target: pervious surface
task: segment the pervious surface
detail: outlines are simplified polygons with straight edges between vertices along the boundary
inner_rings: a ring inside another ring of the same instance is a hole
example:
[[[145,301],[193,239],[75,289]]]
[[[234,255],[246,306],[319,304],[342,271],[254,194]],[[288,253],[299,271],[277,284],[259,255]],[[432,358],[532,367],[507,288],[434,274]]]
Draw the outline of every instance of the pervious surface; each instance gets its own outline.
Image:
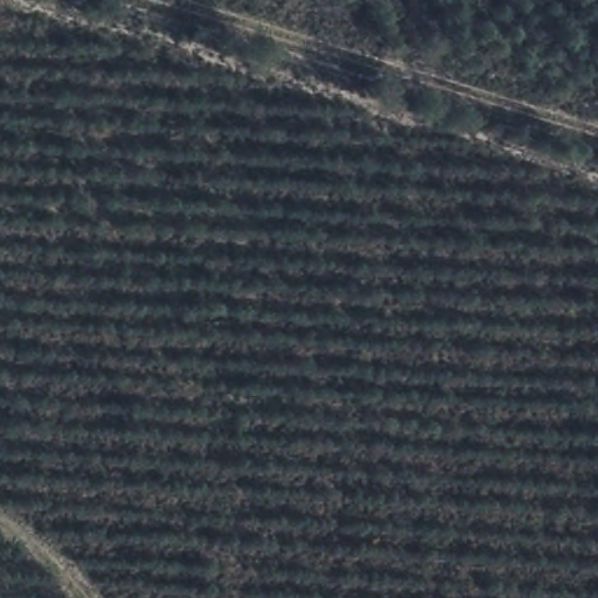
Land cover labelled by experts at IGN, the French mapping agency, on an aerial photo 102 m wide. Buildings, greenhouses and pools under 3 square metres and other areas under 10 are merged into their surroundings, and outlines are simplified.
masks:
[[[255,0],[220,0],[215,9],[220,16],[224,16],[229,30],[266,37],[287,44],[290,51],[308,47],[313,42],[311,33],[292,30],[266,19],[250,16],[250,12],[255,9]]]
[[[488,107],[502,107],[507,112],[530,110],[542,121],[561,131],[584,135],[598,133],[598,119],[577,117],[563,110],[542,105],[456,79],[451,72],[437,72],[434,65],[423,65],[423,58],[404,63],[402,58],[388,56],[383,56],[383,63],[385,65],[399,70],[404,79],[420,77],[420,84],[427,89],[444,93],[458,96],[460,100],[474,100]]]

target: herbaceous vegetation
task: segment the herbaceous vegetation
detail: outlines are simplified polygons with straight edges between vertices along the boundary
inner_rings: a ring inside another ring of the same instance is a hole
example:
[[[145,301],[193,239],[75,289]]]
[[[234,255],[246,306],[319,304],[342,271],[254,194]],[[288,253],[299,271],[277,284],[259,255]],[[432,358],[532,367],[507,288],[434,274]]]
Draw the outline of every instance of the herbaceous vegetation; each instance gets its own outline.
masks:
[[[369,96],[381,84],[385,65],[383,63],[374,63],[364,56],[346,54],[341,49],[325,44],[308,47],[290,51],[285,54],[280,65],[283,70],[311,72],[320,82],[329,82],[360,96]]]
[[[152,7],[140,7],[138,12],[131,12],[128,26],[128,37],[138,40],[138,47],[142,58],[154,58],[164,44],[142,35],[142,26],[150,26],[173,37],[185,37],[187,42],[201,42],[208,49],[215,49],[220,56],[236,56],[248,68],[250,68],[255,56],[264,58],[266,37],[229,30],[224,16],[220,16],[215,9],[220,0],[145,0],[152,2]]]
[[[463,119],[467,110],[474,110],[486,121],[484,131],[488,133],[495,128],[502,131],[502,135],[516,145],[526,145],[544,154],[561,157],[561,152],[565,152],[565,145],[561,131],[542,121],[530,110],[507,112],[502,107],[488,107],[474,100],[460,100],[458,96],[444,93],[446,112],[456,121]]]
[[[418,110],[418,100],[423,93],[427,93],[427,89],[420,84],[420,77],[404,79],[402,86],[406,89],[406,110],[411,114]]]
[[[61,0],[61,7],[79,9],[84,14],[86,9],[100,9],[105,0]]]

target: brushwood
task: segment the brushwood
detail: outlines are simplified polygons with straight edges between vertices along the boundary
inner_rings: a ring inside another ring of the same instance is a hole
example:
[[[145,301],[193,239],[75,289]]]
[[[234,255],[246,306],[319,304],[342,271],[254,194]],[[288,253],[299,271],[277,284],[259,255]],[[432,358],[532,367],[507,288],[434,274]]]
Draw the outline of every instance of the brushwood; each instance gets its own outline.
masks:
[[[505,399],[514,402],[577,399],[572,390],[509,388]]]
[[[439,500],[453,502],[463,500],[537,505],[542,509],[598,509],[598,498],[563,493],[540,495],[516,491],[465,491],[446,486],[439,491]]]
[[[51,479],[114,479],[128,484],[157,481],[157,470],[51,465]]]
[[[374,63],[383,63],[383,56],[388,56],[388,28],[381,14],[371,9],[374,0],[255,0],[255,9],[250,12],[250,16],[266,19],[292,30],[311,33],[313,42],[308,47],[325,44],[341,49],[346,54],[364,56]]]
[[[561,175],[558,171],[551,171],[547,180],[533,182],[509,178],[456,178],[451,192],[470,192],[470,199],[463,203],[444,206],[437,206],[430,199],[313,199],[283,192],[234,192],[201,187],[164,189],[159,182],[70,185],[47,180],[33,185],[26,180],[0,180],[0,194],[93,199],[93,208],[84,213],[63,206],[58,208],[54,201],[49,203],[49,208],[0,206],[0,217],[65,222],[63,234],[42,238],[28,236],[23,231],[9,231],[7,224],[0,224],[0,245],[40,245],[40,255],[35,259],[0,259],[0,269],[44,273],[42,283],[0,283],[0,294],[9,299],[42,301],[131,301],[171,306],[171,315],[119,315],[114,325],[114,336],[100,336],[100,325],[105,325],[105,318],[96,313],[56,315],[49,311],[0,308],[0,322],[68,322],[68,334],[63,334],[56,343],[44,343],[35,336],[0,334],[0,371],[42,374],[42,383],[30,385],[23,397],[58,399],[58,413],[54,425],[63,430],[114,427],[196,434],[189,420],[110,416],[107,404],[152,404],[166,409],[187,409],[189,399],[201,395],[201,388],[206,385],[278,385],[278,397],[252,397],[245,402],[229,402],[227,411],[222,413],[222,420],[217,423],[220,432],[227,437],[271,437],[287,441],[327,439],[355,444],[383,441],[397,446],[430,446],[458,451],[486,449],[528,456],[598,458],[598,446],[533,441],[516,446],[514,439],[502,439],[498,444],[488,437],[453,437],[451,425],[474,425],[470,413],[470,399],[495,399],[498,390],[491,385],[411,383],[406,381],[404,371],[598,381],[598,367],[540,364],[530,369],[502,369],[502,362],[474,362],[472,353],[477,348],[521,348],[530,350],[533,355],[540,355],[540,346],[535,343],[535,339],[500,339],[488,334],[425,334],[423,322],[479,320],[488,325],[598,327],[598,313],[505,313],[498,306],[498,297],[582,299],[584,290],[572,285],[500,285],[451,280],[423,283],[416,278],[390,283],[383,276],[360,278],[341,276],[334,271],[290,273],[224,269],[220,273],[222,280],[353,287],[364,292],[385,290],[381,304],[329,304],[315,299],[285,299],[283,294],[241,299],[224,292],[192,290],[150,292],[150,278],[206,278],[208,269],[201,264],[135,264],[131,285],[124,290],[79,287],[79,276],[119,276],[121,262],[47,262],[47,250],[131,250],[311,262],[313,250],[304,243],[262,245],[257,241],[224,243],[182,238],[182,227],[264,231],[304,229],[327,234],[320,243],[320,248],[325,248],[322,259],[339,264],[474,271],[488,269],[530,276],[598,276],[598,259],[528,259],[521,255],[502,255],[498,257],[498,262],[491,262],[484,255],[470,257],[453,250],[411,250],[385,255],[385,241],[381,236],[420,241],[472,241],[463,227],[458,227],[458,217],[486,220],[526,215],[526,208],[521,210],[509,203],[479,203],[481,192],[514,192],[519,196],[554,194],[598,199],[598,182],[586,182],[577,173]],[[236,206],[283,206],[283,210],[278,217],[154,213],[150,222],[147,213],[112,210],[110,199],[114,196],[199,203],[229,201]],[[381,210],[383,215],[374,224],[306,222],[294,220],[294,210]],[[402,217],[402,215],[425,215],[425,217],[430,217],[430,224],[427,224],[427,227],[399,227],[399,217]],[[124,224],[171,227],[171,236],[152,241],[128,238],[124,234]],[[439,306],[423,301],[418,306],[402,308],[399,294],[409,290],[481,297],[481,306],[477,311],[463,311],[458,306]],[[234,318],[185,320],[185,308],[208,304],[224,304],[227,308],[255,311],[325,315],[346,313],[353,315],[353,325],[332,327],[257,322]],[[364,318],[395,318],[399,320],[399,327],[371,332],[367,329]],[[185,346],[161,343],[159,336],[150,341],[138,341],[126,339],[124,327],[196,329],[196,339]],[[290,339],[283,348],[227,348],[220,343],[210,343],[206,339],[208,332],[287,334]],[[306,343],[306,336],[355,339],[374,343],[399,341],[406,346],[399,355],[315,350]],[[23,350],[56,350],[56,360],[23,362]],[[140,362],[138,367],[82,367],[72,362],[75,353],[135,355]],[[315,362],[320,367],[353,364],[371,369],[399,369],[402,374],[397,381],[371,381],[353,376],[313,378],[252,371],[208,371],[201,376],[187,369],[168,374],[150,367],[152,355],[175,360],[201,357],[252,362]],[[58,388],[54,385],[54,378],[58,374],[154,378],[154,388]],[[311,404],[297,402],[294,388],[334,392],[383,390],[395,395],[418,392],[458,399],[456,406],[449,409],[378,406],[360,402]],[[243,413],[322,413],[329,418],[357,418],[357,427],[341,432],[304,425],[243,427]],[[385,430],[388,418],[439,423],[441,434],[418,437],[411,432],[390,432]]]
[[[40,463],[0,460],[0,474],[37,474]]]
[[[565,234],[558,241],[558,245],[598,248],[598,236]]]
[[[598,341],[556,341],[554,346],[556,357],[598,355]]]
[[[390,126],[395,124],[392,119],[369,114],[364,110],[355,121],[332,119],[336,131],[362,135],[371,131],[390,133]]]
[[[42,420],[40,411],[16,411],[0,406],[0,423],[42,425]]]
[[[185,114],[164,110],[157,133],[110,133],[107,124],[98,128],[93,121],[133,121],[135,110],[128,107],[58,107],[0,103],[0,114],[54,119],[49,128],[0,128],[0,166],[58,168],[72,173],[84,173],[93,168],[138,173],[135,161],[110,157],[112,147],[161,147],[201,152],[201,161],[161,161],[157,173],[171,178],[227,175],[245,180],[308,180],[318,185],[343,185],[336,171],[250,166],[252,154],[294,154],[325,159],[371,157],[376,161],[406,166],[449,164],[484,168],[505,166],[521,171],[535,171],[537,166],[512,154],[481,154],[481,150],[477,147],[467,152],[395,152],[381,145],[231,140],[227,138],[229,126],[327,131],[327,124],[322,119],[248,117],[238,112]],[[217,138],[175,138],[178,126],[192,124],[215,126]],[[19,152],[21,142],[100,150],[96,157],[86,159],[35,154],[23,157]]]
[[[565,416],[563,420],[537,420],[528,416],[528,420],[523,420],[521,416],[509,413],[505,420],[498,420],[500,430],[512,427],[537,432],[598,432],[598,418]]]
[[[577,91],[563,110],[577,117],[598,119],[598,84],[577,84]]]
[[[582,0],[558,0],[563,5],[563,12],[554,16],[547,5],[537,5],[523,12],[521,0],[477,0],[472,7],[472,35],[481,56],[486,56],[493,47],[486,37],[488,21],[500,30],[500,35],[509,35],[516,28],[523,28],[526,37],[523,42],[512,47],[509,58],[465,65],[463,37],[456,26],[456,14],[463,7],[463,0],[395,0],[399,30],[406,40],[406,56],[402,58],[404,63],[423,58],[427,40],[432,35],[441,35],[449,42],[449,56],[444,56],[434,65],[437,72],[451,72],[456,79],[542,105],[549,93],[561,89],[565,82],[561,77],[549,77],[551,63],[537,65],[535,77],[523,75],[526,54],[533,49],[535,40],[544,30],[542,49],[563,51],[563,75],[577,75],[577,56],[565,26],[582,12]]]
[[[128,37],[103,33],[96,28],[91,30],[82,26],[56,23],[47,28],[44,35],[35,35],[33,28],[14,30],[12,19],[2,19],[2,12],[9,5],[0,2],[0,40],[33,44],[79,42],[121,44],[131,49],[138,47],[138,40]]]
[[[241,75],[229,68],[206,63],[201,56],[194,54],[185,54],[180,61],[175,61],[168,56],[168,47],[164,44],[154,58],[142,58],[119,54],[114,58],[51,58],[44,54],[12,56],[0,51],[0,65],[51,70],[70,68],[89,72],[206,72],[210,79],[210,84],[206,86],[187,89],[154,82],[98,86],[96,82],[77,79],[35,79],[28,89],[23,84],[7,84],[5,77],[0,77],[0,89],[56,96],[159,96],[231,103],[250,100],[262,105],[308,107],[339,107],[341,100],[325,98],[320,93],[304,93],[299,89],[287,89],[280,79],[273,77],[257,82],[250,68],[248,68],[245,75]]]
[[[196,528],[196,535],[206,540],[201,549],[114,547],[112,551],[103,554],[100,544],[84,542],[68,547],[61,554],[68,561],[77,563],[82,558],[168,561],[192,565],[217,563],[217,572],[208,577],[159,575],[150,570],[93,570],[86,575],[93,584],[98,584],[114,579],[147,582],[154,586],[217,586],[229,591],[227,598],[495,598],[491,596],[491,584],[514,584],[516,589],[549,591],[598,591],[598,551],[554,551],[547,547],[491,544],[484,542],[484,533],[598,540],[598,523],[565,521],[533,526],[530,516],[516,516],[512,521],[491,523],[484,516],[460,514],[456,505],[449,514],[416,514],[402,509],[367,509],[355,505],[355,493],[423,498],[416,486],[409,486],[406,481],[378,484],[378,470],[444,474],[463,479],[526,479],[556,484],[558,474],[554,472],[554,467],[491,463],[479,465],[477,460],[444,463],[437,456],[430,460],[413,460],[390,456],[357,456],[355,467],[362,472],[362,479],[357,481],[315,481],[292,477],[290,484],[278,484],[273,477],[234,477],[227,467],[231,463],[250,460],[255,465],[318,465],[339,470],[341,453],[283,453],[241,446],[185,449],[178,444],[166,446],[147,441],[105,441],[98,437],[89,441],[72,439],[68,444],[58,444],[54,437],[0,437],[0,449],[42,453],[98,453],[126,458],[147,456],[164,460],[213,460],[213,470],[173,472],[168,474],[168,484],[220,486],[243,491],[301,491],[301,500],[297,505],[269,505],[257,500],[243,500],[238,505],[231,505],[231,526]],[[245,526],[248,516],[315,521],[334,519],[334,530],[278,530],[273,554],[229,554],[227,540],[259,537],[257,528]],[[390,535],[353,535],[346,533],[346,523],[357,521],[453,528],[456,540],[449,542]],[[453,568],[446,563],[395,565],[390,561],[360,561],[357,547],[388,547],[418,554],[439,551],[488,554],[512,558],[519,556],[523,561],[549,558],[575,561],[577,565],[570,577],[542,570],[523,575],[519,570],[484,570],[465,565]],[[264,577],[264,568],[311,570],[322,572],[327,577],[322,584],[294,579],[269,582]],[[427,579],[430,589],[371,589],[371,577],[378,575]]]
[[[26,586],[12,582],[12,572],[33,572],[37,563],[28,556],[0,558],[0,598],[68,598],[61,591],[61,586]]]
[[[598,470],[572,470],[572,484],[598,484]]]
[[[441,178],[434,175],[411,178],[355,171],[355,185],[360,187],[441,187]]]
[[[554,222],[598,224],[598,210],[540,206],[540,229],[493,229],[486,236],[488,243],[542,245],[549,241]]]
[[[5,500],[49,502],[47,509],[35,514],[35,521],[30,526],[35,535],[40,535],[44,530],[42,521],[49,521],[51,530],[105,530],[105,537],[117,533],[173,535],[185,533],[189,519],[206,514],[206,507],[199,500],[187,502],[180,498],[173,500],[140,493],[98,493],[91,498],[79,498],[77,491],[40,493],[37,488],[0,486],[0,507],[2,507]],[[119,521],[114,514],[114,509],[142,507],[159,509],[159,521]]]
[[[593,21],[586,30],[586,58],[591,65],[598,61],[598,21]]]

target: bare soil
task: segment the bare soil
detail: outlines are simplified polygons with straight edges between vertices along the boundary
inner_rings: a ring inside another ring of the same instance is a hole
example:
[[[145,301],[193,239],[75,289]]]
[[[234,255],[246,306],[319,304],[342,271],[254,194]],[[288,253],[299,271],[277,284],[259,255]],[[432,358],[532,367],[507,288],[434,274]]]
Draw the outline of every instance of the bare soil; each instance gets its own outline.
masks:
[[[93,584],[86,575],[77,568],[77,563],[68,561],[61,554],[54,547],[49,547],[40,535],[35,535],[30,526],[14,521],[9,514],[5,514],[2,507],[0,507],[0,533],[5,540],[21,542],[28,556],[37,563],[54,565],[61,586],[61,591],[68,598],[103,598],[98,593],[98,584]]]
[[[0,2],[9,5],[21,12],[44,14],[56,23],[82,26],[91,30],[91,19],[84,14],[79,9],[61,7],[61,0],[0,0]]]
[[[103,33],[128,37],[128,26],[100,16],[96,28]]]
[[[467,142],[479,140],[477,147],[481,150],[481,154],[512,154],[537,166],[551,171],[558,171],[561,175],[577,173],[586,182],[598,182],[598,159],[591,157],[589,164],[568,166],[568,161],[561,157],[544,154],[526,145],[516,145],[502,135],[502,131],[495,128],[488,133],[484,131],[463,131],[460,135]]]
[[[381,105],[376,98],[369,96],[360,96],[329,82],[320,82],[311,72],[283,70],[280,65],[273,68],[273,77],[280,79],[287,89],[299,89],[304,93],[320,93],[325,98],[341,100],[355,103],[364,110],[369,114],[392,119],[395,124],[416,128],[425,126],[425,114],[418,110],[411,114],[406,110],[390,110],[385,103]]]
[[[220,56],[215,49],[208,49],[201,42],[187,42],[185,37],[173,37],[150,26],[142,26],[142,35],[164,44],[168,47],[168,56],[175,61],[180,61],[185,54],[194,54],[201,56],[206,63],[229,68],[241,75],[245,75],[248,68],[236,56]]]

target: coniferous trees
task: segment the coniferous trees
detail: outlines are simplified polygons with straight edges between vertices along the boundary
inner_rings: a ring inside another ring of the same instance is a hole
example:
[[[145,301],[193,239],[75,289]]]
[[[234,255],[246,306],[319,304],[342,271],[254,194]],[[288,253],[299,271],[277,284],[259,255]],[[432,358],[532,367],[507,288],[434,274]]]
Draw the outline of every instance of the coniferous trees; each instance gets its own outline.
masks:
[[[229,591],[217,586],[154,586],[147,582],[114,579],[98,584],[98,593],[103,598],[227,598]]]
[[[161,343],[185,346],[196,339],[196,329],[124,327],[126,339],[138,341],[150,341],[159,336]]]
[[[58,374],[54,378],[54,385],[58,388],[154,388],[154,378]]]
[[[54,119],[0,114],[0,128],[49,128]]]
[[[206,72],[89,72],[70,68],[51,70],[0,65],[0,77],[5,77],[7,84],[23,84],[28,89],[35,79],[77,79],[96,82],[98,86],[154,82],[187,89],[206,86],[210,84],[210,79]]]
[[[465,65],[509,58],[512,47],[523,42],[526,37],[523,28],[516,28],[509,35],[500,35],[500,30],[488,21],[486,37],[493,47],[486,56],[481,56],[472,35],[472,7],[477,0],[463,0],[463,7],[456,14],[456,26],[463,37]]]
[[[63,334],[68,334],[68,322],[0,322],[0,334],[35,336],[44,343],[56,343]]]
[[[58,444],[68,444],[72,439],[89,441],[98,437],[105,441],[147,441],[166,446],[178,444],[185,449],[241,446],[283,453],[341,453],[339,470],[318,465],[255,465],[250,460],[231,463],[227,467],[234,477],[273,477],[278,484],[290,484],[292,477],[315,481],[357,481],[362,479],[362,472],[355,467],[357,456],[390,456],[413,460],[430,460],[437,456],[444,463],[477,460],[479,465],[491,463],[554,467],[554,472],[558,474],[556,484],[526,479],[463,479],[444,474],[378,470],[378,484],[406,481],[409,486],[416,486],[423,498],[355,493],[355,505],[367,509],[402,509],[416,514],[449,514],[456,505],[460,514],[484,516],[491,523],[512,521],[516,516],[530,516],[533,526],[565,521],[598,523],[598,509],[542,509],[537,505],[463,500],[453,502],[439,500],[439,491],[446,486],[465,491],[516,491],[540,495],[563,493],[598,498],[598,484],[572,484],[572,470],[598,470],[598,458],[528,456],[486,449],[458,451],[430,446],[397,446],[383,441],[355,444],[327,439],[287,441],[271,437],[227,437],[220,432],[217,423],[222,420],[222,413],[227,411],[229,402],[245,402],[252,397],[278,397],[278,385],[206,385],[201,388],[201,395],[189,399],[187,409],[166,409],[152,404],[107,404],[110,416],[189,420],[196,434],[114,427],[63,430],[54,425],[58,413],[58,399],[23,397],[30,385],[42,383],[42,374],[0,371],[0,406],[16,411],[40,411],[42,420],[42,425],[0,423],[0,437],[54,437]]]
[[[381,14],[388,28],[388,56],[402,58],[406,56],[406,40],[399,30],[395,0],[374,0],[371,9]]]
[[[598,598],[598,591],[549,591],[516,589],[514,584],[491,584],[491,596],[495,598]]]
[[[399,320],[395,318],[364,318],[367,329],[371,332],[399,327]]]
[[[208,577],[217,572],[217,563],[192,565],[168,561],[82,558],[77,563],[77,568],[86,575],[93,570],[150,570],[159,575]]]
[[[72,362],[82,367],[138,367],[140,362],[135,355],[75,353]]]
[[[0,558],[28,556],[21,542],[5,540],[0,533]]]
[[[488,334],[500,339],[535,339],[535,343],[540,346],[540,355],[533,355],[530,350],[521,348],[477,348],[472,353],[474,362],[502,362],[502,369],[530,369],[540,364],[598,367],[598,355],[556,357],[554,346],[556,341],[598,341],[598,327],[488,325],[479,320],[423,322],[425,334]]]
[[[0,51],[12,56],[44,54],[51,58],[114,58],[119,54],[142,58],[138,47],[131,49],[121,44],[79,42],[33,44],[0,40]]]
[[[283,210],[283,206],[236,206],[229,201],[199,203],[114,196],[110,199],[112,210],[147,213],[150,222],[154,213],[278,217]]]
[[[245,526],[257,528],[259,537],[227,540],[229,554],[273,554],[278,530],[334,530],[334,519],[315,521],[248,516]]]
[[[598,236],[598,224],[554,222],[549,241],[542,245],[488,243],[486,236],[493,229],[540,229],[540,206],[598,210],[598,199],[554,194],[519,196],[514,192],[481,192],[479,203],[509,203],[521,210],[526,208],[526,215],[486,220],[458,217],[458,227],[463,227],[472,241],[420,241],[381,236],[385,241],[385,255],[411,250],[453,250],[470,257],[484,255],[491,262],[498,262],[498,257],[502,255],[521,255],[528,259],[598,259],[598,248],[558,245],[558,241],[565,234]]]
[[[549,93],[542,105],[563,110],[577,91],[577,84],[598,84],[598,61],[591,65],[586,58],[586,30],[593,21],[598,21],[598,0],[582,0],[582,12],[565,26],[577,56],[577,75],[563,75],[563,51],[542,49],[544,30],[535,40],[533,49],[526,54],[523,75],[535,77],[537,65],[551,63],[549,77],[561,77],[565,82],[561,89]]]
[[[0,245],[0,259],[35,259],[40,255],[40,245]]]
[[[329,418],[322,413],[243,413],[243,427],[304,425],[341,432],[357,427],[357,418]]]
[[[423,65],[434,65],[444,56],[449,56],[449,42],[441,35],[432,35],[427,40],[423,58]]]
[[[287,334],[208,332],[206,339],[210,343],[220,343],[227,348],[283,348],[290,339]]]
[[[383,215],[381,210],[294,210],[294,220],[306,222],[374,224]]]
[[[294,388],[297,402],[311,404],[360,402],[378,406],[449,409],[456,406],[458,399],[418,392],[395,395],[383,390],[334,392]]]
[[[150,367],[168,374],[187,369],[201,376],[208,371],[252,371],[313,378],[353,376],[371,381],[397,381],[402,374],[399,369],[371,369],[353,364],[320,367],[315,362],[252,362],[201,357],[175,360],[152,355]]]
[[[481,297],[409,290],[399,294],[402,308],[418,306],[423,301],[439,306],[458,306],[463,311],[477,311],[481,306]]]
[[[35,154],[86,159],[96,157],[100,150],[21,142],[19,152],[23,157]]]
[[[0,217],[0,224],[7,224],[9,231],[23,231],[28,236],[42,238],[63,234],[65,222]]]
[[[474,425],[451,425],[453,437],[488,437],[498,444],[502,439],[514,439],[516,446],[533,441],[598,446],[598,432],[537,432],[512,427],[500,430],[498,420],[505,420],[509,413],[521,416],[523,420],[528,420],[528,416],[537,420],[563,420],[565,416],[598,418],[598,381],[404,371],[406,381],[411,383],[491,385],[498,390],[495,399],[470,399],[470,413]],[[514,402],[505,399],[509,388],[572,390],[577,399]]]
[[[484,542],[491,544],[547,547],[554,551],[598,551],[598,540],[484,533]]]
[[[390,133],[371,131],[362,135],[336,131],[332,119],[355,121],[364,110],[355,103],[341,100],[339,107],[308,107],[262,105],[250,100],[231,103],[159,96],[56,96],[0,89],[0,103],[58,107],[128,107],[135,110],[133,121],[93,121],[98,128],[107,124],[110,133],[157,133],[164,110],[185,114],[238,112],[248,117],[322,119],[327,124],[327,131],[229,126],[227,138],[231,140],[381,145],[395,152],[467,152],[477,147],[479,140],[467,142],[460,135],[439,131],[434,126],[425,126],[416,128],[395,124],[390,126]]]
[[[12,582],[26,586],[61,586],[54,565],[37,563],[33,572],[12,572]]]
[[[142,507],[114,509],[114,514],[119,521],[159,521],[159,509]]]
[[[93,199],[0,194],[0,206],[49,208],[49,203],[54,201],[58,208],[63,206],[84,213],[93,208]]]
[[[44,35],[47,28],[56,23],[44,14],[21,12],[9,5],[2,12],[2,19],[12,19],[14,30],[33,28],[35,35]]]
[[[255,311],[227,308],[224,304],[208,304],[185,308],[185,320],[234,318],[257,322],[332,327],[353,325],[353,315],[346,313],[325,315]]]
[[[124,234],[128,238],[152,241],[171,236],[171,227],[124,224]]]
[[[217,138],[215,126],[192,124],[178,126],[175,138]]]
[[[220,273],[224,269],[290,273],[334,271],[341,276],[360,278],[383,276],[390,283],[416,278],[423,283],[451,280],[500,285],[572,285],[584,290],[582,299],[498,297],[498,306],[505,313],[598,313],[598,276],[530,276],[488,269],[474,271],[339,264],[322,259],[325,248],[320,248],[320,243],[327,234],[304,229],[264,231],[182,227],[182,238],[224,243],[257,241],[262,245],[304,243],[313,250],[311,262],[131,250],[47,250],[47,262],[121,262],[119,276],[79,276],[79,287],[124,290],[131,285],[135,264],[201,264],[208,269],[206,278],[150,278],[150,292],[192,290],[224,292],[241,299],[283,294],[285,299],[315,299],[329,304],[381,304],[385,290],[364,292],[353,287],[222,280]]]
[[[371,577],[371,589],[430,589],[427,579],[378,575]]]
[[[523,12],[537,5],[547,5],[554,16],[563,12],[563,5],[558,0],[521,0]]]
[[[430,217],[425,217],[425,215],[402,215],[402,217],[399,217],[399,227],[427,227],[427,224],[430,224]]]
[[[56,350],[23,350],[23,362],[56,360]]]
[[[189,519],[185,533],[173,535],[117,533],[105,537],[105,530],[51,530],[49,521],[42,521],[44,530],[40,535],[49,547],[54,547],[61,554],[68,547],[84,542],[100,544],[103,554],[112,551],[114,547],[201,549],[206,540],[196,535],[196,528],[231,526],[231,505],[238,505],[243,500],[257,500],[269,505],[297,505],[301,500],[301,491],[243,491],[220,486],[168,484],[168,474],[173,472],[213,470],[213,460],[164,460],[147,456],[126,458],[98,453],[42,453],[0,449],[0,460],[40,463],[37,474],[0,474],[0,486],[37,488],[40,493],[77,491],[79,498],[91,498],[98,493],[140,493],[173,500],[180,498],[187,502],[199,500],[206,507],[206,514]],[[51,465],[157,470],[157,481],[128,484],[114,479],[51,479]]]
[[[374,343],[355,339],[306,336],[306,343],[315,350],[399,355],[406,346],[399,341]]]
[[[509,178],[533,182],[547,180],[551,171],[537,166],[535,171],[521,171],[505,166],[484,168],[449,164],[406,166],[376,161],[371,157],[325,159],[294,154],[252,154],[250,166],[336,171],[343,185],[318,185],[308,180],[245,180],[227,175],[171,178],[157,173],[161,161],[201,161],[201,152],[161,147],[112,147],[110,157],[135,161],[138,173],[93,168],[84,173],[72,173],[58,168],[0,166],[0,180],[26,180],[33,185],[47,180],[70,185],[159,182],[164,189],[201,187],[234,192],[283,192],[313,199],[430,199],[437,206],[444,206],[463,203],[470,199],[470,192],[451,192],[456,178]],[[434,175],[441,178],[441,187],[360,187],[355,185],[355,171],[411,178]]]
[[[357,547],[360,561],[390,561],[395,565],[446,563],[453,568],[465,565],[484,570],[519,570],[523,575],[542,570],[570,577],[577,565],[575,561],[549,558],[523,561],[519,556],[512,558],[488,554],[439,551],[418,554],[388,547]]]
[[[105,318],[105,325],[100,325],[100,336],[114,336],[114,325],[119,315],[171,315],[171,306],[131,301],[42,301],[9,299],[0,294],[0,308],[49,311],[56,315],[96,313]]]
[[[456,540],[453,528],[357,521],[346,523],[346,533],[353,535],[390,535],[449,542]]]
[[[2,507],[5,514],[9,514],[14,521],[30,526],[35,521],[35,514],[47,509],[49,502],[5,500]]]
[[[0,283],[42,283],[44,273],[0,269]]]
[[[327,577],[322,572],[311,570],[264,568],[264,577],[269,582],[294,579],[322,584]]]
[[[388,418],[385,430],[390,432],[411,432],[418,437],[441,434],[439,423]]]

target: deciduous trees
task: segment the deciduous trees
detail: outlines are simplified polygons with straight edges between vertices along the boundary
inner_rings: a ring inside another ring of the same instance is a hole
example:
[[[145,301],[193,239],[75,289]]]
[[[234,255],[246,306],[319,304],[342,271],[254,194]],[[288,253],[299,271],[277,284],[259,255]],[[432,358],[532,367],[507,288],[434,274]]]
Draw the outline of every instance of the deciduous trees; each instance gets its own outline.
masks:
[[[589,164],[591,157],[598,159],[598,133],[584,135],[561,131],[565,145],[565,152],[561,152],[561,157],[568,161],[568,166]]]
[[[290,51],[287,44],[266,37],[264,58],[255,56],[250,68],[257,82],[273,77],[273,68],[280,65],[285,54]]]
[[[486,121],[474,110],[467,110],[463,119],[456,121],[446,112],[444,93],[427,89],[427,93],[423,93],[418,100],[418,110],[425,114],[425,126],[434,126],[439,131],[460,135],[463,131],[484,131]]]
[[[376,98],[381,105],[385,103],[390,110],[406,110],[406,89],[402,86],[404,79],[399,70],[385,65],[381,84],[369,96]]]
[[[96,28],[100,16],[128,26],[131,12],[138,12],[140,7],[152,7],[152,2],[145,0],[105,0],[100,9],[86,9],[84,14],[91,19],[91,30]]]

